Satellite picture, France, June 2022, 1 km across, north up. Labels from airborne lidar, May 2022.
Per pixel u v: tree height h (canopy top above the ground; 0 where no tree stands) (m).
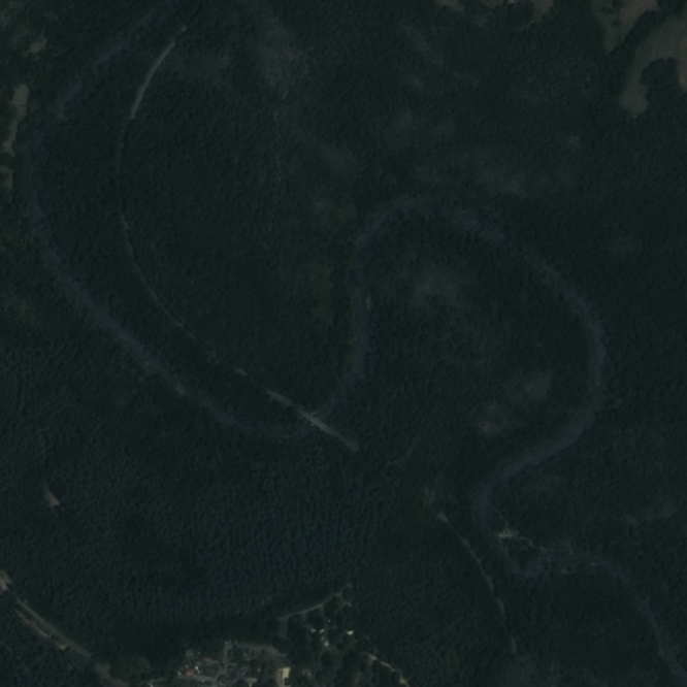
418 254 6
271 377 22
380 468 17
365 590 19
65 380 22
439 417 10
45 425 28
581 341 21
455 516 20
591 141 17
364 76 13
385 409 10
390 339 15
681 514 11
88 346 16
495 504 29
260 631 13
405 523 10
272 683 6
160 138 18
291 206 7
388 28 14
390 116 10
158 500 25
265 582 30
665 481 13
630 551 17
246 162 15
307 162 7
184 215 23
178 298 18
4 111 19
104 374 25
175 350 25
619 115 21
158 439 20
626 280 21
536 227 27
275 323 20
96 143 30
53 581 31
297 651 13
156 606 29
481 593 22
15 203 18
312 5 14
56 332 14
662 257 16
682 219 24
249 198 14
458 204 18
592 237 18
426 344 14
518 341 10
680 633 12
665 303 18
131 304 29
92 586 25
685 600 21
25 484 27
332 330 21
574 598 29
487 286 12
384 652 18
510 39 7
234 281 23
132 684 11
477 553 10
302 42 7
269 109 7
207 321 20
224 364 18
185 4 27
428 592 26
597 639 13
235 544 23
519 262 12
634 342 20
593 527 13
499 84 14
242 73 14
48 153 26
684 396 17
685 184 18
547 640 24
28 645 27
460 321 8
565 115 19
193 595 34
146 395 23
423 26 10
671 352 18
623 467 9
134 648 14
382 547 14
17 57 17
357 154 11
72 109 25
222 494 22
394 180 10
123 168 17
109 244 27
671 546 19
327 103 14
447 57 8
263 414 32
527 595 28
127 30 29
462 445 13
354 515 26
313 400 26
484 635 25
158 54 9
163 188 21
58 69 27
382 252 24
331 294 12
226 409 18
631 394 21
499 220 20
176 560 25
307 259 13
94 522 32
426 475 14
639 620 26
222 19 7
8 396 18
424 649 25
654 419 11
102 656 8
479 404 15
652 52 0
